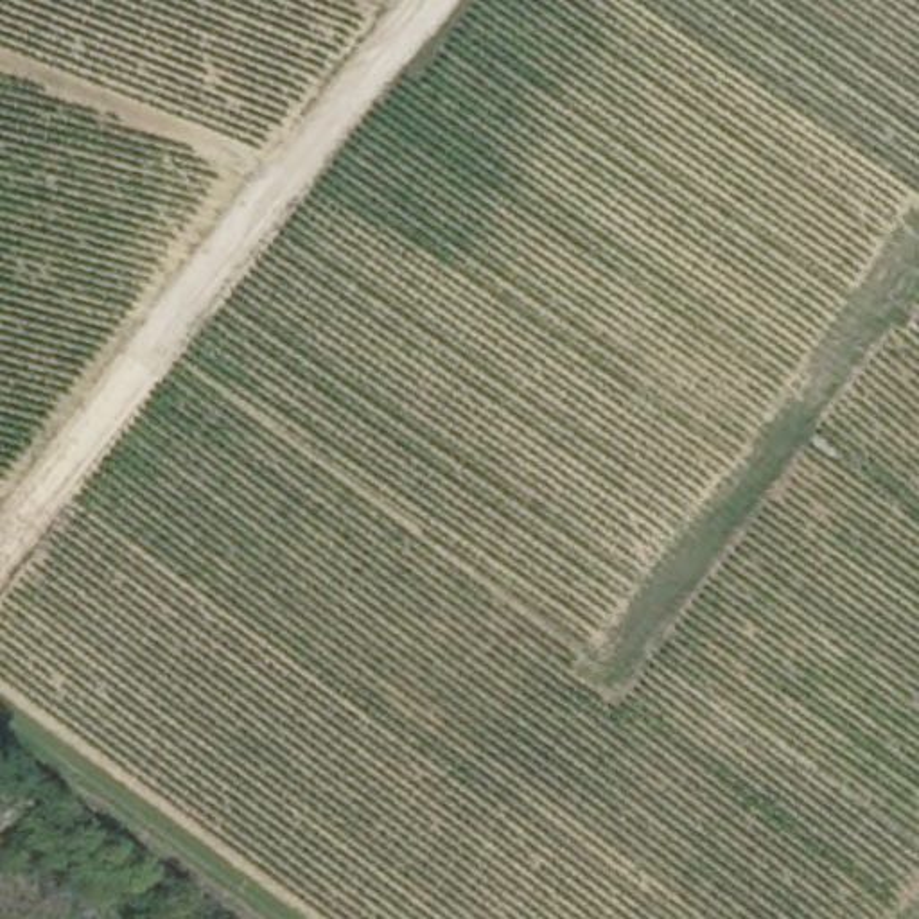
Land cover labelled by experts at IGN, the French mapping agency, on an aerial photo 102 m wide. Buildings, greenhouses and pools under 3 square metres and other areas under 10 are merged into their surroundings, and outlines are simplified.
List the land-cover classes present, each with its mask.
<instances>
[{"label":"vineyard","instance_id":"1","mask_svg":"<svg viewBox=\"0 0 919 919\"><path fill-rule=\"evenodd\" d=\"M395 0H0V47L72 72L93 86H111L122 97L197 122L248 147H258L273 126L284 122L291 104L305 118L316 115L330 86L341 79V72L363 54V47L377 39L381 22ZM452 14L438 25L434 36L424 39V47L398 68L388 90L352 126V133L330 154L316 183L305 190V197L291 205L273 241L255 255L251 273L237 280L219 312H212L201 323V330L176 355L172 370L154 384L133 424L115 438L108 456L83 481L79 495L50 517L43 535L7 567L0 582V700H7L18 714L32 718L39 729H47L65 747L83 754L90 765L108 772L144 804L172 818L183 833L201 840L212 854H219L255 887L294 908L302 919H876L894 901L897 887L912 880V872H919V0H449ZM215 169L183 140L122 126L115 111H93L86 104L50 97L32 79L0 72V477L32 445V434L54 413L57 398L72 391L83 366L126 319L133 302L140 298V287L151 280L158 258L165 255L169 241L187 226V219L205 201Z\"/></svg>","mask_w":919,"mask_h":919},{"label":"pervious surface","instance_id":"2","mask_svg":"<svg viewBox=\"0 0 919 919\"><path fill-rule=\"evenodd\" d=\"M452 14L449 0H395L381 22L377 39L363 47V54L341 72V79L330 86L316 115L305 118L291 104L284 122L273 126L258 147H248L197 122L122 97L111 86H93L72 72L0 47V72L32 79L50 97L86 104L93 111H115L122 126L183 140L215 169L205 201L187 219V226L169 241L165 255L158 258L151 280L140 287V298L133 302L126 319L83 366L72 391L57 398L54 413L32 434V445L0 477V582L7 567L43 535L50 517L79 495L83 481L108 456L115 438L133 424L154 384L172 370L176 355L201 330V323L212 312H219L237 280L251 273L255 255L273 241L291 205L305 197V190L316 183L330 154L352 133V126L388 90L398 68L424 47V39L434 36L438 25ZM876 919H919V872H912V880L897 887L894 901Z\"/></svg>","mask_w":919,"mask_h":919},{"label":"brushwood","instance_id":"3","mask_svg":"<svg viewBox=\"0 0 919 919\"><path fill-rule=\"evenodd\" d=\"M39 779L25 797L0 801V872L32 880L50 872L57 887L79 894L86 905H115V919H237L233 912L219 908V901L208 890L194 883V876L176 858L147 851V844L133 829L90 808L79 793H72L61 768L43 761L36 765Z\"/></svg>","mask_w":919,"mask_h":919},{"label":"herbaceous vegetation","instance_id":"4","mask_svg":"<svg viewBox=\"0 0 919 919\"><path fill-rule=\"evenodd\" d=\"M18 736H25L43 761L61 768L72 793H79L90 808L133 829L147 844V851L176 858L194 876V883L208 890L219 901V908L233 912L237 919H302L294 908L255 887L219 854H212L201 840L183 833L172 818L144 804L108 772L90 765L83 754L65 747L47 729H39L32 718L18 714L7 700H0V754L14 750ZM115 905H86L79 894L57 887L50 872L32 880L0 872V919H115Z\"/></svg>","mask_w":919,"mask_h":919},{"label":"deciduous trees","instance_id":"5","mask_svg":"<svg viewBox=\"0 0 919 919\"><path fill-rule=\"evenodd\" d=\"M43 761L25 736H18L14 750L0 754V801L25 797L39 779L36 765Z\"/></svg>","mask_w":919,"mask_h":919}]
</instances>
